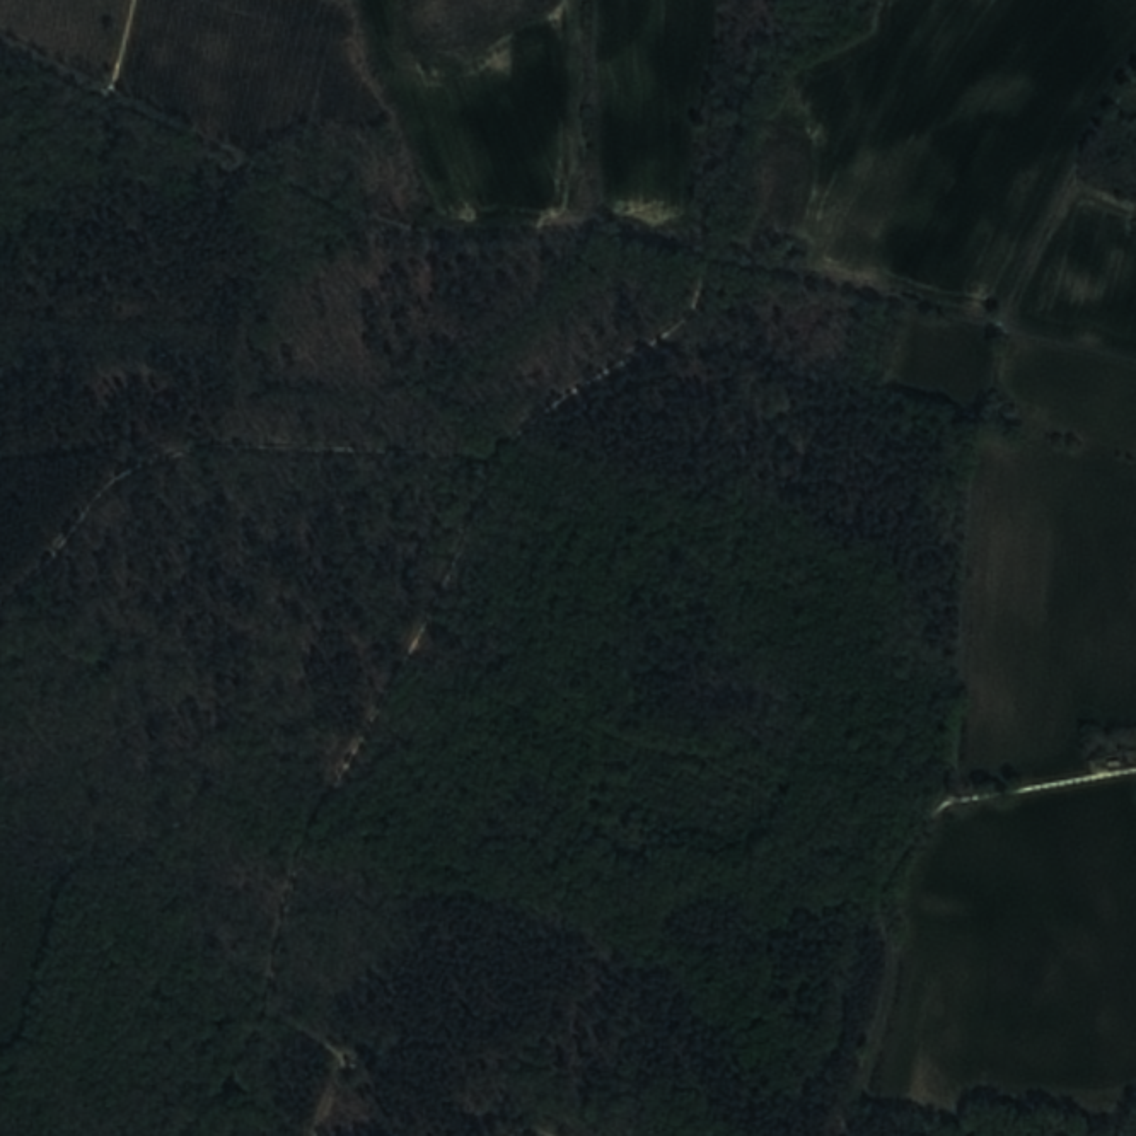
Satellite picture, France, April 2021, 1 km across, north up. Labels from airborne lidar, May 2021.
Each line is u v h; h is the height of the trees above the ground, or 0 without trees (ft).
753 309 36
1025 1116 57
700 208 51
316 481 58
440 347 58
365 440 46
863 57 0
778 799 50
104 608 51
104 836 60
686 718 74
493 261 72
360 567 47
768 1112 83
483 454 55
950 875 0
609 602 84
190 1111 85
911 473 75
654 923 82
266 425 50
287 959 49
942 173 0
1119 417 0
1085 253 0
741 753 58
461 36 0
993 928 0
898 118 0
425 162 0
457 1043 75
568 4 0
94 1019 68
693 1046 73
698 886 95
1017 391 0
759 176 64
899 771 60
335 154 50
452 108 0
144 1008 61
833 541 56
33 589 49
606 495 53
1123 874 0
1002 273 0
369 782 64
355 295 52
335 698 87
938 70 0
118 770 52
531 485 66
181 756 53
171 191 73
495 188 0
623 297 24
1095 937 0
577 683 73
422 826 66
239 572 53
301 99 0
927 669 57
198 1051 77
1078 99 0
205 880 54
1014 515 0
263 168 57
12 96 46
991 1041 0
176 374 79
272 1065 50
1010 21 0
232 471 68
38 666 59
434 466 62
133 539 74
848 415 69
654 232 0
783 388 59
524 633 67
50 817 63
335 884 45
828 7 85
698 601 65
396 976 65
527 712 64
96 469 60
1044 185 0
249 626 33
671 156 0
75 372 73
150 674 61
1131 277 0
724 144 21
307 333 55
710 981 68
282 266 61
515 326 64
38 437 73
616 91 0
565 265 60
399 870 80
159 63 0
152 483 79
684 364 76
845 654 55
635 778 31
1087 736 36
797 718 56
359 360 54
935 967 0
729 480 68
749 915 66
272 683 58
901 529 40
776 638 54
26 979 32
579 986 73
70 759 55
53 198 77
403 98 0
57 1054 63
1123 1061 0
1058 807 0
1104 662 0
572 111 0
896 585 52
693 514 59
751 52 54
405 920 57
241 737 60
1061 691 0
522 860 66
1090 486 0
